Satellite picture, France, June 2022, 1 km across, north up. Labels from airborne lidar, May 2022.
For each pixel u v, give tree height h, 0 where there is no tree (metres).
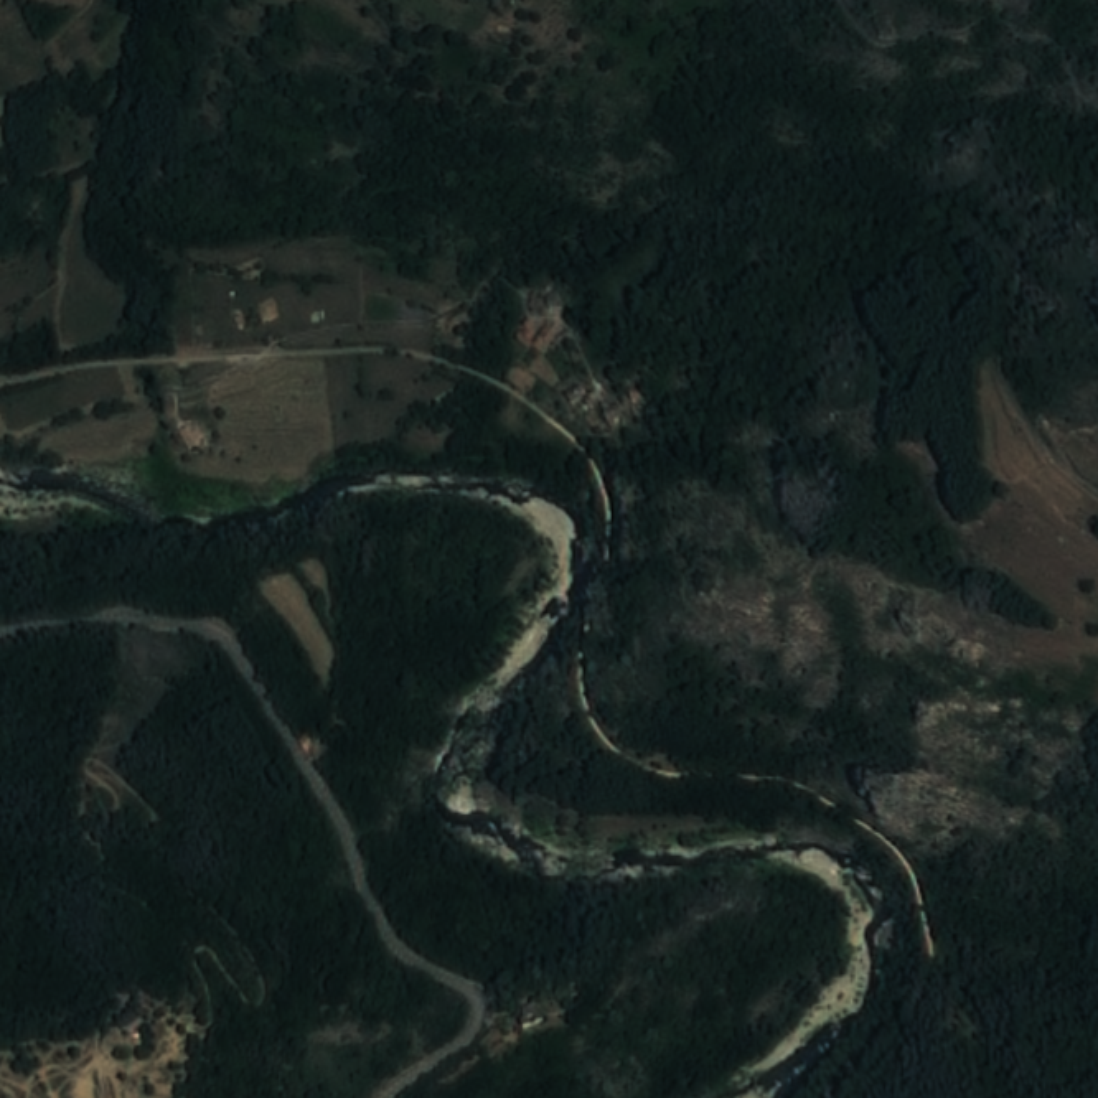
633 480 8
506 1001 17
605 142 7
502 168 18
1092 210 16
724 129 11
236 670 10
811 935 13
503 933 20
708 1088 23
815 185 14
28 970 15
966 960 21
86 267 0
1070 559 0
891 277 15
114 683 10
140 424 0
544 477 20
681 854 0
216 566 14
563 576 0
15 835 11
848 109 12
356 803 10
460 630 16
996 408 0
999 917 8
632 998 11
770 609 0
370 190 13
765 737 15
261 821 26
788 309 15
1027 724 6
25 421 0
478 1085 11
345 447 16
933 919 12
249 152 12
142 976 9
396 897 21
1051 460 0
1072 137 10
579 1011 20
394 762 12
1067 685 0
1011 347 12
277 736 17
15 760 9
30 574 20
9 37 0
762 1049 28
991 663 0
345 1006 11
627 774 25
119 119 24
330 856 11
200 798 27
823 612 0
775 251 11
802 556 0
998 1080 23
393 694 17
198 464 0
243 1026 13
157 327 32
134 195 16
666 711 11
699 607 0
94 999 11
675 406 14
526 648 0
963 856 12
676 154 19
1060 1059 19
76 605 17
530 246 24
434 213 9
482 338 22
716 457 13
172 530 25
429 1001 11
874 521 17
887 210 24
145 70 26
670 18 18
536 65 17
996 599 29
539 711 11
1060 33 12
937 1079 18
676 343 13
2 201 21
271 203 17
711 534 0
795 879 11
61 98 13
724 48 30
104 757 0
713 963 8
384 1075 10
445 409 14
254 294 0
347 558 8
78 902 15
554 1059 7
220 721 32
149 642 0
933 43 9
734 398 14
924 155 12
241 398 0
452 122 19
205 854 22
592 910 25
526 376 0
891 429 27
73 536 25
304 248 0
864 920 0
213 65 10
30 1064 12
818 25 8
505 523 13
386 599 11
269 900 14
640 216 15
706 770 14
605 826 0
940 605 0
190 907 9
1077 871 13
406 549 9
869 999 14
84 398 0
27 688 10
